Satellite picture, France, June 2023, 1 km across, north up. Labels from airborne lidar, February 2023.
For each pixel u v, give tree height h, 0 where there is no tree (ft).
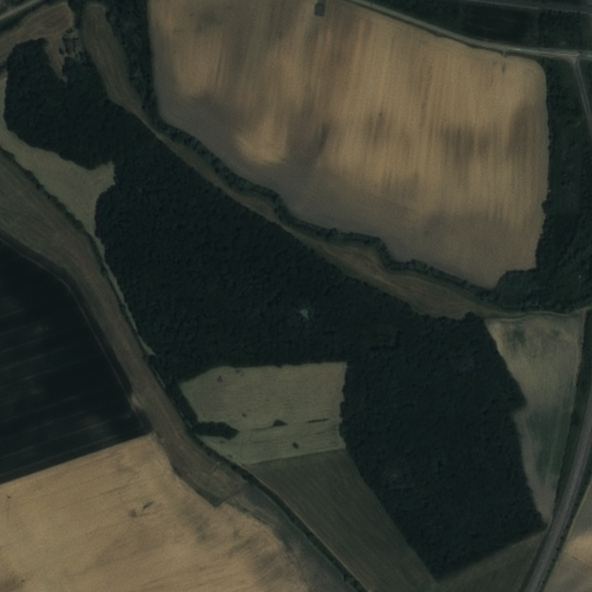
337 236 55
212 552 0
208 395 0
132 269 86
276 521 0
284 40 0
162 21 0
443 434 83
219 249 90
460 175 0
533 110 0
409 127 0
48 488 0
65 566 0
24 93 79
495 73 0
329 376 0
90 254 0
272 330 74
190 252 82
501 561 0
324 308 70
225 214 80
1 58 0
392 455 74
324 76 0
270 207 0
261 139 0
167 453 0
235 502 0
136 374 0
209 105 0
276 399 0
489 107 0
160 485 0
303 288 85
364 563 0
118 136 89
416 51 0
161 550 0
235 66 0
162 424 0
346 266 0
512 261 0
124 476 0
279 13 0
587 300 39
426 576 0
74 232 0
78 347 0
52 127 91
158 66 0
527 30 0
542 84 0
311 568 0
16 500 0
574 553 0
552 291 32
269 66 0
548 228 37
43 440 0
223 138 0
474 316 44
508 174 0
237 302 75
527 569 0
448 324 63
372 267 0
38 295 0
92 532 0
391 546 0
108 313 0
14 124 66
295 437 0
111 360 0
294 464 0
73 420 0
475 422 75
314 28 0
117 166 32
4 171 0
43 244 0
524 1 0
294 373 0
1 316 0
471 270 0
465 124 0
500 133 0
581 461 0
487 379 64
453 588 0
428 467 75
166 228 76
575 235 33
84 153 67
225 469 0
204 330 67
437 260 0
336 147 0
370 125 0
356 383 60
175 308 79
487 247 0
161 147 79
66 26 0
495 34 0
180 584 0
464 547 60
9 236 0
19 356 0
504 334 0
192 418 54
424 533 73
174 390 71
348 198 0
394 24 0
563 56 0
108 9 0
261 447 0
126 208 71
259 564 0
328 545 0
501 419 77
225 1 0
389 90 0
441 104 0
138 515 0
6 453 0
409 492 58
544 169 0
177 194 108
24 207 0
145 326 57
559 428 0
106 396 0
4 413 0
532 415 0
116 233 74
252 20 0
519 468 67
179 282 94
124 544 0
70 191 0
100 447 0
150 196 97
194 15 0
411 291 0
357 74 0
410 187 0
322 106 0
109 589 0
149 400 0
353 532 0
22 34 0
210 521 0
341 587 0
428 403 72
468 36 0
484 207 0
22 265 0
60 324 0
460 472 87
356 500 0
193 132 0
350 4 0
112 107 75
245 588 0
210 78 0
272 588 0
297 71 0
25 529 0
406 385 68
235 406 0
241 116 0
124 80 0
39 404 0
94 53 0
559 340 0
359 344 66
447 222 0
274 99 0
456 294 0
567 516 0
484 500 85
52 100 99
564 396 0
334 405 0
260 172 0
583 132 0
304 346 54
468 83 0
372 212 0
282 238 79
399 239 0
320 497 0
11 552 0
